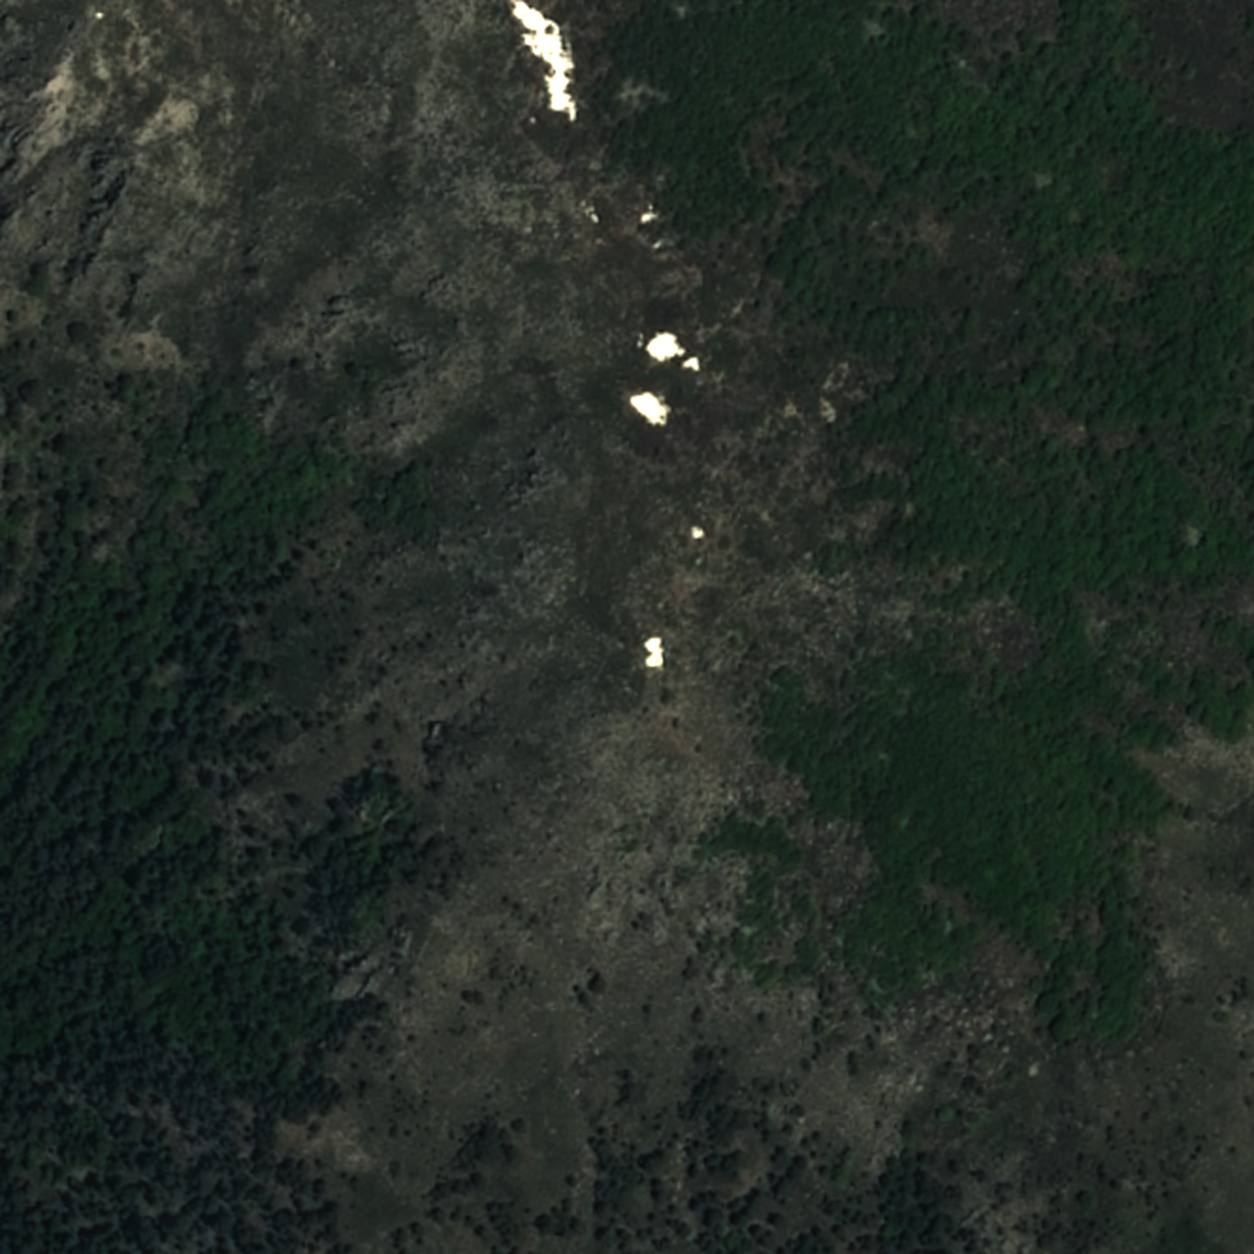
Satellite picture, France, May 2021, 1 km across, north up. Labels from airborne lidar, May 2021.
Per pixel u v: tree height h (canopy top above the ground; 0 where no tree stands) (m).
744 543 0
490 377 0
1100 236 17
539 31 0
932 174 15
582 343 0
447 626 0
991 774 17
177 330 0
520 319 0
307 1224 17
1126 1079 0
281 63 0
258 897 11
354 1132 0
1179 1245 0
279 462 14
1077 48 18
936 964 7
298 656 0
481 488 0
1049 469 11
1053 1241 15
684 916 0
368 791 10
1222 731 14
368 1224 0
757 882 7
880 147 23
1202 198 14
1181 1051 0
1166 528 11
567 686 0
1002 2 7
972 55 16
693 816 0
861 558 7
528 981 7
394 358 0
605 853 0
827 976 7
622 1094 7
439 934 0
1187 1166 0
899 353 10
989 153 20
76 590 14
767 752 10
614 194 0
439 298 0
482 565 0
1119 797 10
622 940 0
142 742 13
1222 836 0
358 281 0
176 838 9
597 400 0
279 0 0
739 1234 8
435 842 10
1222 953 0
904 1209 25
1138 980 11
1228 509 10
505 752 0
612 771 0
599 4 9
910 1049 0
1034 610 9
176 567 16
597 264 0
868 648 8
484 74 0
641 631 0
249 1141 9
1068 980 9
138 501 14
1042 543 14
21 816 16
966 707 12
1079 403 12
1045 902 10
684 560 0
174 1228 17
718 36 11
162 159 0
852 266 10
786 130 12
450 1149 0
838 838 0
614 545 0
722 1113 18
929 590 6
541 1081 0
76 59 0
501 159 0
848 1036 0
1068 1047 12
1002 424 8
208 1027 15
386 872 12
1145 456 14
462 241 0
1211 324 11
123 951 16
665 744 0
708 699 0
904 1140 7
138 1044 22
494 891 0
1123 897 7
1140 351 12
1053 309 16
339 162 0
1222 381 12
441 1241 0
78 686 20
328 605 0
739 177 18
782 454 10
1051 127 16
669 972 0
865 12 11
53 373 0
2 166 0
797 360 9
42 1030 18
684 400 0
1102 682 14
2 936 23
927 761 15
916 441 8
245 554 16
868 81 15
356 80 0
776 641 0
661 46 12
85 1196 24
